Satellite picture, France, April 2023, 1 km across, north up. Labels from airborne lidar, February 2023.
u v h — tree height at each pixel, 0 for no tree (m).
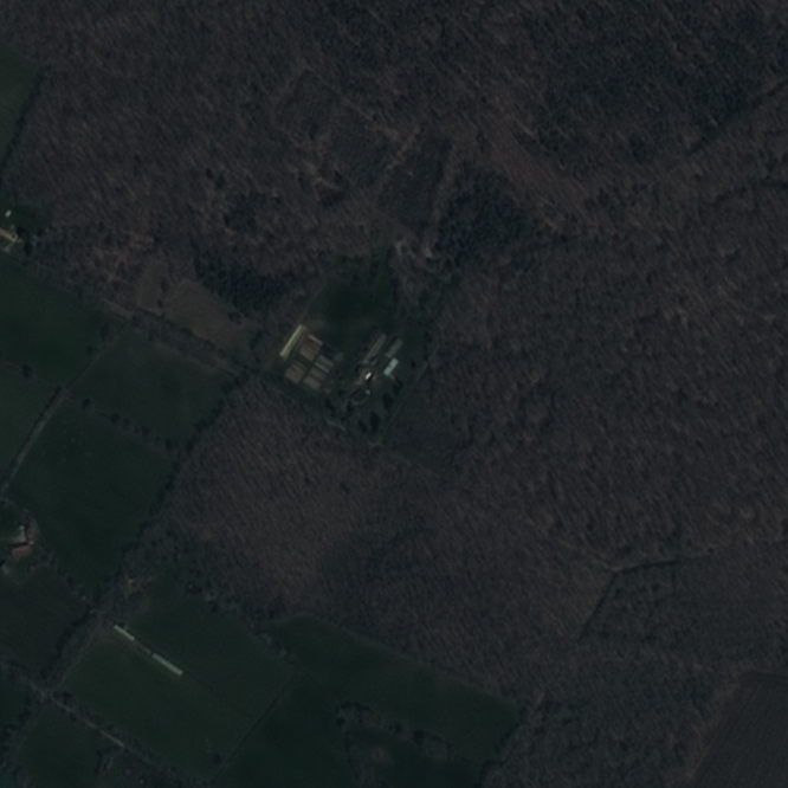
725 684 25
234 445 24
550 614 20
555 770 16
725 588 16
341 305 0
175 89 22
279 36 22
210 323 0
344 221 20
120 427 15
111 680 0
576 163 22
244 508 22
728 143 20
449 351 12
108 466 0
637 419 25
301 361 0
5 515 0
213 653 0
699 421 23
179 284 13
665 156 18
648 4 23
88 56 21
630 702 21
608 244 16
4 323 0
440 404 11
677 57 21
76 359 0
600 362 23
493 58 23
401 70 19
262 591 17
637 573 12
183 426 0
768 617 16
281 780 0
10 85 0
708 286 20
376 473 15
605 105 23
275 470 17
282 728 0
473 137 20
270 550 18
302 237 13
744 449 24
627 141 22
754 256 23
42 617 0
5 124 0
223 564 19
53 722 0
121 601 11
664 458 22
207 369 18
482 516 23
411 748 0
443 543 23
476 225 18
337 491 14
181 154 20
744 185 16
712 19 22
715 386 25
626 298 13
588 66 18
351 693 0
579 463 22
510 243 16
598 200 18
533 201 13
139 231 15
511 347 21
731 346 22
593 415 26
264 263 21
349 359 0
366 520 15
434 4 25
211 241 17
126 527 0
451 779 0
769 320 19
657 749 23
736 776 0
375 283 10
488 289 16
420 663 17
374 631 17
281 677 0
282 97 18
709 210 15
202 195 20
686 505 24
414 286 19
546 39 22
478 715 0
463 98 22
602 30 22
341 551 14
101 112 23
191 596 0
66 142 21
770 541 11
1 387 0
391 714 0
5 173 16
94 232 12
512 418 25
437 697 0
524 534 19
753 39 22
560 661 23
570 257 14
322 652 0
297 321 16
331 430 15
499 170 16
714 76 21
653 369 22
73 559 0
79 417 0
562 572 25
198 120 22
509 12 21
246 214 19
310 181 15
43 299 0
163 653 0
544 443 28
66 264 14
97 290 14
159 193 17
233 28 18
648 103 19
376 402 0
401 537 14
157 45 27
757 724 0
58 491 0
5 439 0
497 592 19
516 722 0
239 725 0
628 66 20
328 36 18
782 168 15
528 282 15
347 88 15
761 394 25
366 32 16
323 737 0
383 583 25
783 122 18
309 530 18
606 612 14
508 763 15
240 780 0
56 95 22
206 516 22
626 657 26
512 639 22
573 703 9
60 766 0
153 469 0
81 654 10
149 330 20
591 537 24
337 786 0
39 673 0
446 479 10
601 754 22
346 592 19
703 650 21
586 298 9
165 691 0
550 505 22
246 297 17
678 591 22
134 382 0
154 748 0
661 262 18
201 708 0
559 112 23
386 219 0
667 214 20
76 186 20
